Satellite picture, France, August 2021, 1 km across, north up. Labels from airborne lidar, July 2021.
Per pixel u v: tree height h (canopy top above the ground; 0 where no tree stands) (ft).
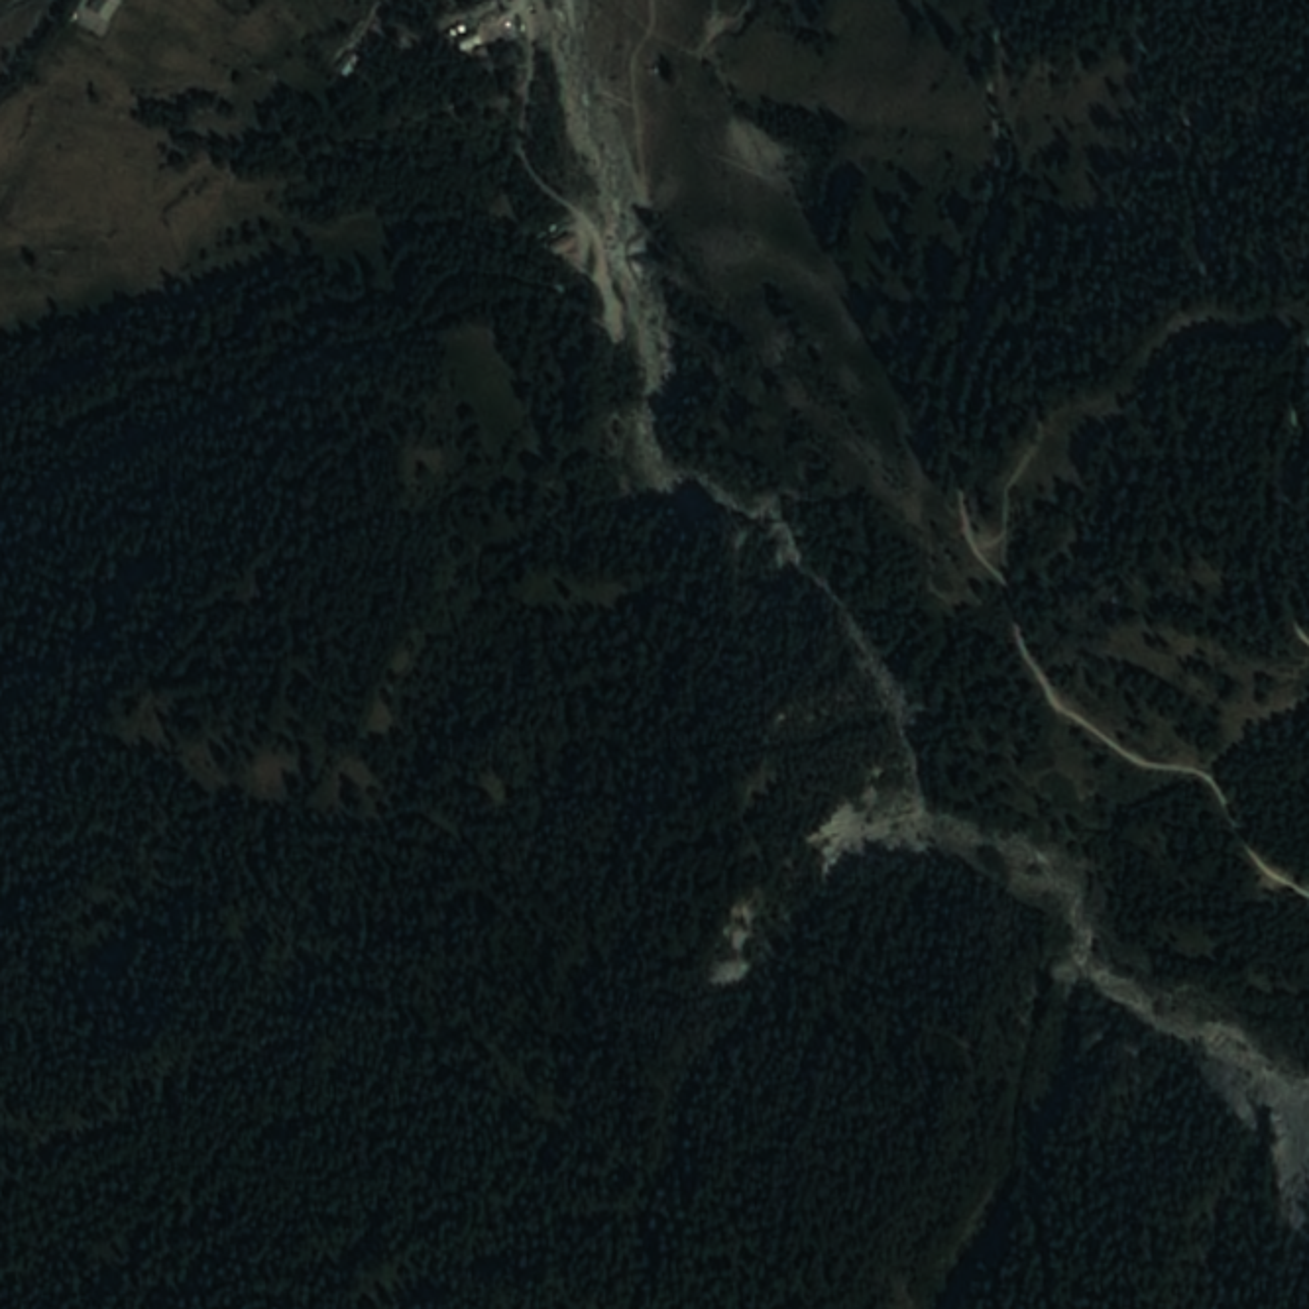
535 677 79
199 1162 74
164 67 0
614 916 62
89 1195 54
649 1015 57
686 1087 56
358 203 34
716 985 23
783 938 32
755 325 0
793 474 0
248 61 0
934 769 52
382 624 58
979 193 31
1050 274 75
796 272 0
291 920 84
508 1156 75
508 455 25
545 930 62
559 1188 65
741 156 0
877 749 48
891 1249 52
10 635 95
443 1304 70
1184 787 41
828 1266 32
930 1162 67
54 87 0
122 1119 35
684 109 0
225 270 0
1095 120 0
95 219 0
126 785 66
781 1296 84
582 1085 58
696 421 70
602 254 0
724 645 56
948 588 0
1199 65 70
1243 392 86
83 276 0
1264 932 70
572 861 61
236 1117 73
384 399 37
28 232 0
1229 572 60
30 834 62
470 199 32
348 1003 76
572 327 32
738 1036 55
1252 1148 27
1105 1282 77
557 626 79
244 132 0
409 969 63
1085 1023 21
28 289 0
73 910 65
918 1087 77
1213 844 56
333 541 75
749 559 41
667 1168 22
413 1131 81
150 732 0
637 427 0
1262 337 22
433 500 36
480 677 90
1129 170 62
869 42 0
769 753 34
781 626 51
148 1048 31
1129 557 62
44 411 79
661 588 65
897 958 77
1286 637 42
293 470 70
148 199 0
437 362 59
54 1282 73
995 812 29
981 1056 69
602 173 0
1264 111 21
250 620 63
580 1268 54
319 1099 76
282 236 35
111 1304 85
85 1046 61
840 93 0
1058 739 0
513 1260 49
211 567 63
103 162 0
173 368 79
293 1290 80
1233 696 47
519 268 65
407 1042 43
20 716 69
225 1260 40
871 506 38
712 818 70
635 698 32
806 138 34
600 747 77
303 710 76
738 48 0
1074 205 0
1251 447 76
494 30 0
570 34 0
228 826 76
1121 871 39
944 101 0
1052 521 57
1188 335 21
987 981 61
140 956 80
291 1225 51
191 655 24
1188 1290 58
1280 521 50
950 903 59
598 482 59
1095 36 41
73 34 0
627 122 0
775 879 65
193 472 75
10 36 0
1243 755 61
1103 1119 35
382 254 0
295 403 66
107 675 55
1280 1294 53
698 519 83
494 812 64
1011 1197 34
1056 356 72
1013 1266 84
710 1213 61
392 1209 63
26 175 0
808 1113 52
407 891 85
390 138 23
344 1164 82
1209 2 52
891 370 90
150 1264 74
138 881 51
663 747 53
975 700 43
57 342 61
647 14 0
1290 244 46
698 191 0
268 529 82
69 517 85
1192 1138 52
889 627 45
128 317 51
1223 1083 0
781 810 60
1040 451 0
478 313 65
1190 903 36
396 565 55
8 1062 66
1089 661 40
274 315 82
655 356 0
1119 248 85
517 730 60
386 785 35
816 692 31
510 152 39
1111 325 60
